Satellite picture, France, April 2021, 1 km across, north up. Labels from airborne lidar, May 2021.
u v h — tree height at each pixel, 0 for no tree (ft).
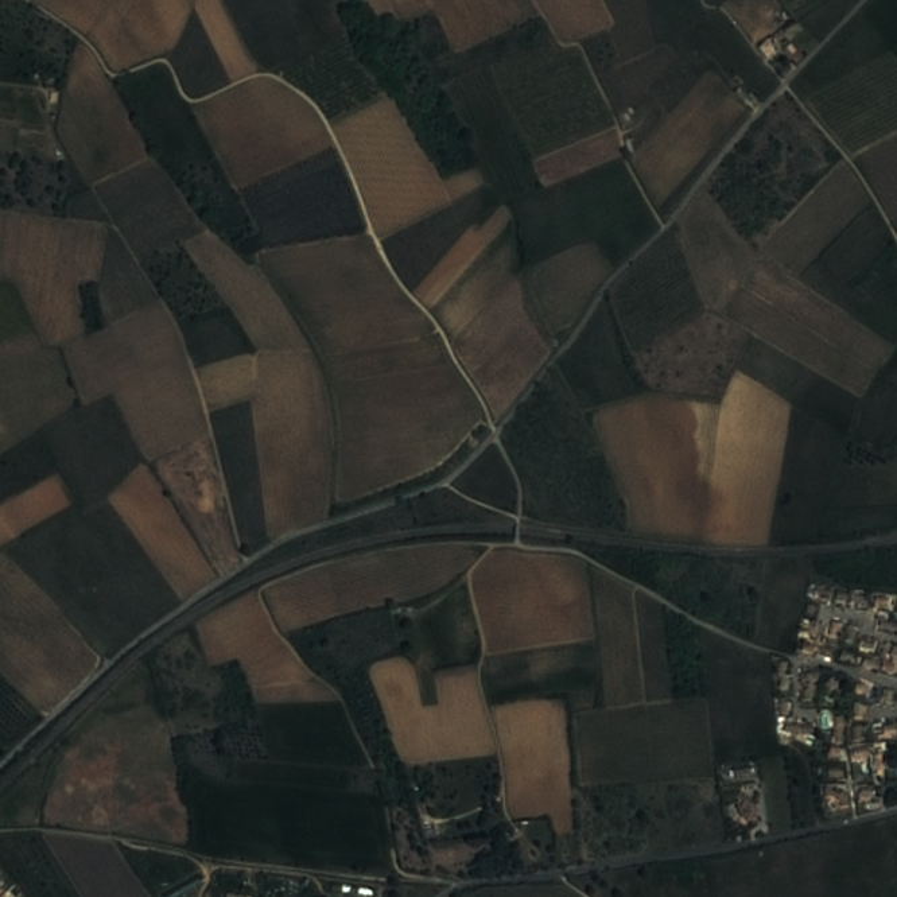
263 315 0
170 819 0
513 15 0
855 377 0
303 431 0
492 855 38
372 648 0
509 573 0
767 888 0
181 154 0
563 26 0
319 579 0
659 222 0
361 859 0
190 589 0
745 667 0
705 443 0
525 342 0
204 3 0
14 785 23
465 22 0
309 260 0
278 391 0
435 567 0
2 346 0
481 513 0
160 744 0
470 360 0
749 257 0
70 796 0
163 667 0
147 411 0
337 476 0
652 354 0
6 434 0
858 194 0
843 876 0
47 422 0
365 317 0
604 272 0
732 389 0
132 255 0
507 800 0
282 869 0
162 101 0
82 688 0
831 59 0
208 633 0
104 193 0
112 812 0
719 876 0
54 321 0
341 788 0
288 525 0
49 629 0
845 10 0
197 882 0
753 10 0
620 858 0
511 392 0
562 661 0
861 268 0
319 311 0
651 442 0
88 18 0
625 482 0
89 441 0
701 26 0
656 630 0
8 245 0
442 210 0
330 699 0
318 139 0
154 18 0
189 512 0
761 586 0
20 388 0
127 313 0
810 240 0
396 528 0
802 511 0
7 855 0
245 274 0
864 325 0
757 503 0
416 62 30
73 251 0
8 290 0
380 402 0
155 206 0
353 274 0
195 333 0
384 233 0
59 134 0
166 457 0
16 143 0
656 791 0
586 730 0
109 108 0
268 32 0
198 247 0
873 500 0
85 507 0
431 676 0
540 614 0
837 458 0
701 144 0
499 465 0
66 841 0
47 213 0
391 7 0
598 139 0
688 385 0
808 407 0
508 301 0
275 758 0
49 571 0
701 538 0
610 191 0
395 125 0
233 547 0
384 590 0
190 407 0
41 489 0
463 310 0
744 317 0
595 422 0
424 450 0
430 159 31
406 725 0
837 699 28
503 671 0
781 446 0
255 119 0
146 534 0
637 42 0
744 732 0
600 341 0
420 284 0
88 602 0
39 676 0
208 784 0
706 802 0
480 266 0
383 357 0
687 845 0
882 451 0
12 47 0
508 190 0
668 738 0
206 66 0
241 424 0
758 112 0
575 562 0
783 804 0
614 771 0
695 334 0
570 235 0
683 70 0
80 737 0
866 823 0
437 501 0
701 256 0
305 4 0
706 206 0
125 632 0
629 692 0
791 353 0
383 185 0
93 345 0
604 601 0
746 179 26
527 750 0
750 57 0
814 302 0
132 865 0
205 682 0
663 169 0
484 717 0
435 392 0
